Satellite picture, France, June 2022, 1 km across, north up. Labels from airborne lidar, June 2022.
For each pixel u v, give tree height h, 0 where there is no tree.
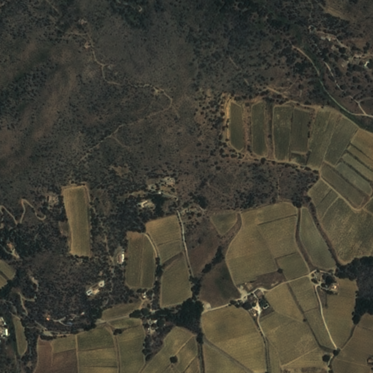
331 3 0
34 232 7
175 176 10
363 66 9
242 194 7
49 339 11
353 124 0
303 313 0
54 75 0
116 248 9
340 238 0
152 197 13
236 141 0
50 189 6
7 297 16
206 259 0
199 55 9
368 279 7
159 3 9
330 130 0
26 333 10
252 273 0
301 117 0
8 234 9
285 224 0
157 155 0
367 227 0
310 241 0
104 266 8
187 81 0
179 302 0
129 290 9
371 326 0
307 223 0
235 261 0
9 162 0
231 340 0
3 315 15
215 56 14
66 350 0
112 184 9
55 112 0
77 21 7
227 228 0
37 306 9
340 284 0
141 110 0
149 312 13
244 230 0
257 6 13
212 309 0
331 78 14
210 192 0
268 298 0
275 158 0
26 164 0
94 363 0
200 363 0
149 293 11
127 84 6
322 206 0
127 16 12
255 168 9
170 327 8
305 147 0
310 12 9
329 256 0
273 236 0
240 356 0
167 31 6
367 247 0
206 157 0
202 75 11
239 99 10
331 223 0
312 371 0
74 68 0
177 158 0
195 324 12
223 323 0
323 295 0
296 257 0
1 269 0
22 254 8
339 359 0
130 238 0
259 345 0
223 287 0
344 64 0
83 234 0
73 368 0
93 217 9
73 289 7
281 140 0
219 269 0
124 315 0
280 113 0
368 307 11
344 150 0
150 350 11
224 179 0
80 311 7
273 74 0
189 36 8
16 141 0
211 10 10
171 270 0
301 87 13
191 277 7
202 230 0
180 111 0
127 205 12
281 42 11
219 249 8
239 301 7
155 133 0
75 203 0
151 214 9
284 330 0
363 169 0
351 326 0
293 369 0
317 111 0
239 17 12
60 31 9
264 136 0
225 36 10
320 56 8
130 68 0
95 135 9
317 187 0
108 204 0
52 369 0
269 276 0
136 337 0
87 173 6
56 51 0
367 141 0
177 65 0
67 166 8
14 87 7
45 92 0
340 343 0
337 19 9
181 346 0
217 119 11
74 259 6
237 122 0
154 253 0
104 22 0
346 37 9
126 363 0
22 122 0
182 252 0
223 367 0
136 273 0
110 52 0
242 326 0
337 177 0
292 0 8
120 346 0
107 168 9
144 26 11
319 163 0
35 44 0
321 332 0
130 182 9
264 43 0
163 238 0
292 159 0
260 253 0
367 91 9
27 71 0
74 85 0
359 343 0
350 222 0
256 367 0
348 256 0
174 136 0
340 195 0
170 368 0
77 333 10
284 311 0
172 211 10
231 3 15
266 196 7
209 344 0
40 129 0
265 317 0
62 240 6
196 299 10
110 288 7
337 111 0
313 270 0
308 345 0
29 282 9
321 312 0
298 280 0
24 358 9
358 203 0
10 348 0
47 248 7
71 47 0
